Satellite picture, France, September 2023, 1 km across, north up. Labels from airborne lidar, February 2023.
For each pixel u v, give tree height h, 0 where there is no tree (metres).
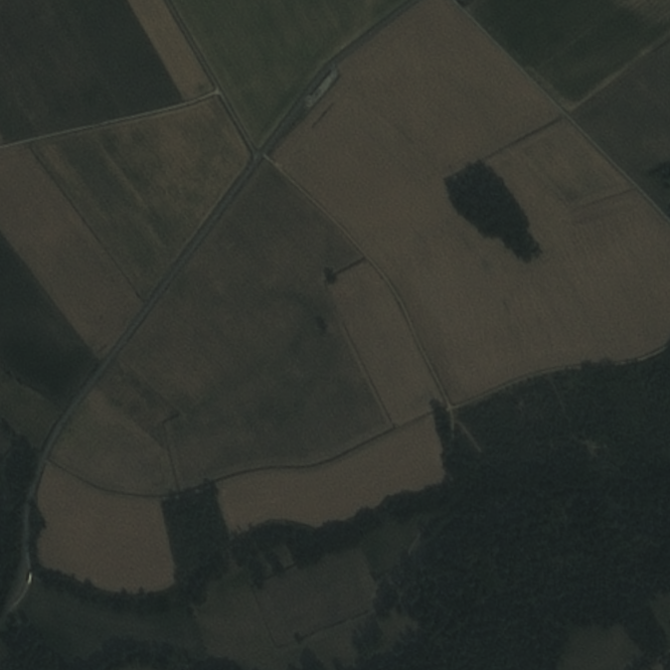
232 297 0
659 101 0
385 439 0
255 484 0
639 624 25
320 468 0
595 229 0
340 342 0
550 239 0
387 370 0
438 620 18
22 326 0
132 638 0
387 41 0
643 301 0
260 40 0
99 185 0
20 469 16
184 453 0
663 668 14
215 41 0
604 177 0
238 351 0
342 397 0
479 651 13
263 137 0
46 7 0
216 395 0
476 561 18
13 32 0
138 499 0
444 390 0
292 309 0
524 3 0
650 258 0
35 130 0
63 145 0
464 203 21
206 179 0
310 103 0
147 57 0
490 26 0
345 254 0
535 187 0
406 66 0
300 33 0
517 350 0
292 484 0
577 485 11
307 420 0
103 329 0
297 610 0
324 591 0
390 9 0
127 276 0
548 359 0
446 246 0
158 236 0
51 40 0
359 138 0
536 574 12
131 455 0
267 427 0
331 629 0
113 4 0
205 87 0
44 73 0
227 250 0
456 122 0
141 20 0
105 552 0
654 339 0
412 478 0
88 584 13
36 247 0
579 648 0
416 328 0
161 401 0
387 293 0
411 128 0
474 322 0
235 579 0
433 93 0
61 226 0
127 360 0
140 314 0
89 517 0
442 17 0
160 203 0
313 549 23
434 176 0
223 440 0
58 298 0
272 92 0
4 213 0
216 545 12
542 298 0
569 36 0
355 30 0
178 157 0
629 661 0
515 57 0
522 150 0
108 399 0
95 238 0
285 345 0
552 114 0
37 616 0
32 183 0
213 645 0
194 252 0
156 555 0
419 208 0
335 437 0
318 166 0
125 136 0
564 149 0
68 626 0
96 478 0
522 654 21
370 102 0
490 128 0
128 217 0
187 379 0
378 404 0
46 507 0
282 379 0
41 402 0
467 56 0
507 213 22
